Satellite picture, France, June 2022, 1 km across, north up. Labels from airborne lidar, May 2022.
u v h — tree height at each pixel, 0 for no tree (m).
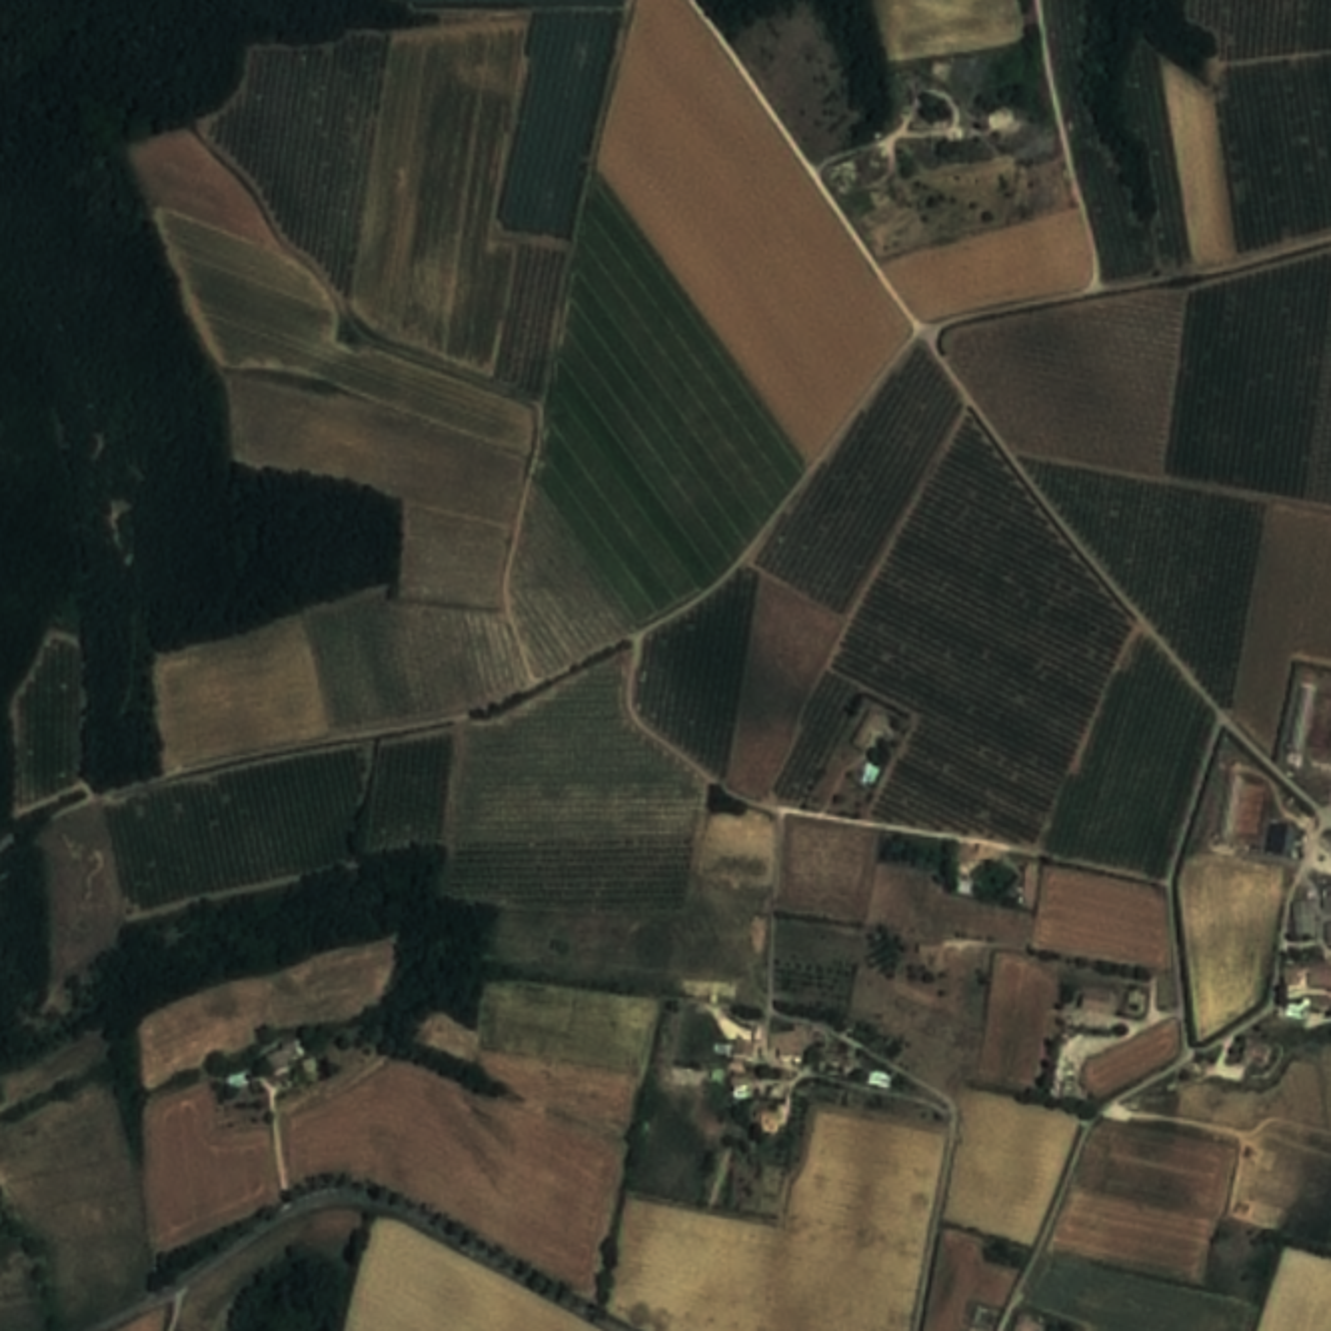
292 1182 0
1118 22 15
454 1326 0
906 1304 0
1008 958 0
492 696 0
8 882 6
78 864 0
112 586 9
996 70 0
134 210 15
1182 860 7
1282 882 0
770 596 0
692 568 0
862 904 0
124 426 8
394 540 11
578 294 0
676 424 0
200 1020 0
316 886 15
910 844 11
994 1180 0
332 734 0
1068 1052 0
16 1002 7
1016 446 0
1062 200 0
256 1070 12
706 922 0
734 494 0
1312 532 0
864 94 14
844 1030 7
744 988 0
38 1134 0
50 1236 0
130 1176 0
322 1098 0
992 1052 0
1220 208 0
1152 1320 0
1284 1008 12
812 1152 0
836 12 13
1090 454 0
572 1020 0
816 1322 0
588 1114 0
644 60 0
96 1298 0
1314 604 0
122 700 11
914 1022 0
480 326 0
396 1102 0
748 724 0
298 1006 0
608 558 0
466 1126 0
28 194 11
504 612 0
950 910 0
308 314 0
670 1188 0
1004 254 0
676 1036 0
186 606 13
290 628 0
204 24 13
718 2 7
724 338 0
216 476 16
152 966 16
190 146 0
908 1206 0
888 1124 0
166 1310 0
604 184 0
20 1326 0
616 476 0
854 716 20
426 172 0
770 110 0
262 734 0
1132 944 0
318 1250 0
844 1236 0
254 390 0
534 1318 0
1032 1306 0
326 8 13
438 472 0
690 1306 0
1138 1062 0
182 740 0
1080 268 0
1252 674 0
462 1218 0
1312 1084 0
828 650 0
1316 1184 0
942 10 0
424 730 6
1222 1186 0
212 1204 0
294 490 12
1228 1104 0
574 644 0
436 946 14
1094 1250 0
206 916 8
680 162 0
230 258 0
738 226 0
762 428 0
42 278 8
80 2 13
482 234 0
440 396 0
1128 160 10
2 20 14
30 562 7
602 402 0
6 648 8
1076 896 0
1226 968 0
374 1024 12
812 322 0
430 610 0
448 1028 0
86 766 11
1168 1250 0
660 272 0
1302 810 6
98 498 8
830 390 0
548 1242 0
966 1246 0
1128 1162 0
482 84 0
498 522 0
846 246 0
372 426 0
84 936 0
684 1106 0
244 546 13
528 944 0
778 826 0
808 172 0
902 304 0
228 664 0
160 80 16
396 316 0
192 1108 0
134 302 12
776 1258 0
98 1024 15
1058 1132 0
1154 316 0
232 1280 0
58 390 10
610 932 0
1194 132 0
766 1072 12
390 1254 0
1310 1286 0
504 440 0
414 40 0
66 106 22
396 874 17
